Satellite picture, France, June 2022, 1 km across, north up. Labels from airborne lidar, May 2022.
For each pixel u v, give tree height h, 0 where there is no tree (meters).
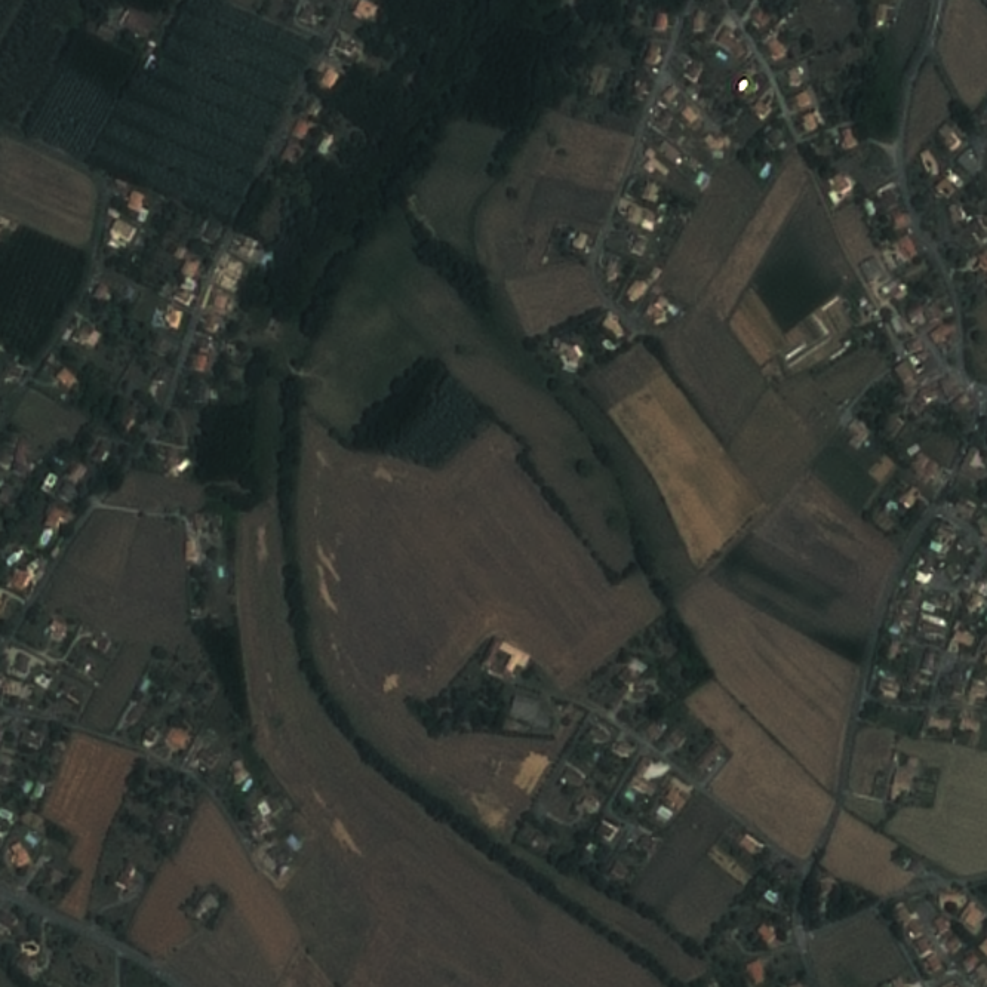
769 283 0
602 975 0
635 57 7
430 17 24
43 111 14
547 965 0
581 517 0
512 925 0
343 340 0
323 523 0
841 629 0
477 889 0
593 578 0
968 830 0
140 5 21
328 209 20
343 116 12
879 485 0
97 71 23
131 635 0
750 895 6
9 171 0
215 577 0
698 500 0
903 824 0
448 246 19
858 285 0
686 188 0
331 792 0
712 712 0
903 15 0
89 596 0
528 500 0
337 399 0
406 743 0
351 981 0
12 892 0
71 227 0
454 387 11
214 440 20
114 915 0
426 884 0
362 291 0
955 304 0
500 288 0
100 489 13
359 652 0
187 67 14
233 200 12
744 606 0
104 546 0
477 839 29
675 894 0
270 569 0
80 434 9
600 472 0
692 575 0
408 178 21
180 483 0
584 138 0
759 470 0
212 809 0
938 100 0
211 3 17
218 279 0
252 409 17
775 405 0
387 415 17
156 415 14
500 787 0
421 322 0
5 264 7
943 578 0
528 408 0
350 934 0
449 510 0
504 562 0
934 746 0
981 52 0
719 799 0
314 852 0
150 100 16
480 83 15
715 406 0
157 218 8
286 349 0
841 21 0
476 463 0
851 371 0
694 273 0
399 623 0
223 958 0
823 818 0
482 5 13
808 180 0
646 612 0
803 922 7
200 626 9
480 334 0
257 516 0
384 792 0
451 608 0
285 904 0
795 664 0
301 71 14
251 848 0
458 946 0
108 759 0
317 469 0
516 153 16
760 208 0
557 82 16
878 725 0
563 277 0
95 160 16
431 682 0
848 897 15
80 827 0
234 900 0
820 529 0
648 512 0
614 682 6
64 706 0
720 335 0
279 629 0
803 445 0
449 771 0
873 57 10
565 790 11
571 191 0
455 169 0
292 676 0
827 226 0
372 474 0
